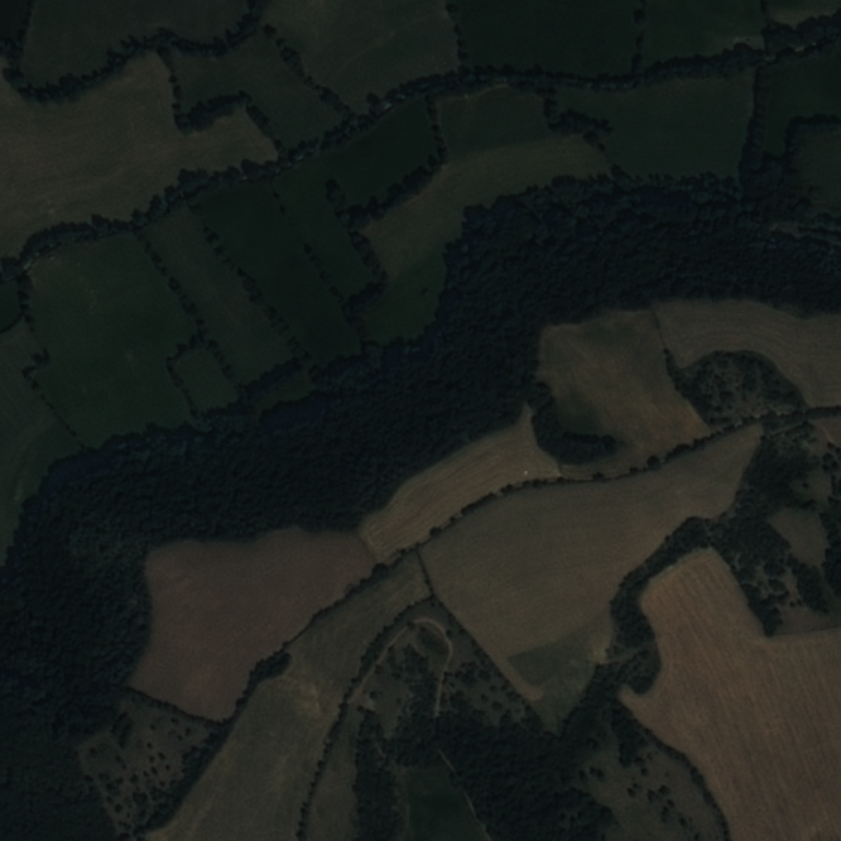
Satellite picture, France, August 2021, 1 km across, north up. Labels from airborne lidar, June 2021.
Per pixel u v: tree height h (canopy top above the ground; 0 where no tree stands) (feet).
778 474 21
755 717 0
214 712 0
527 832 45
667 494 0
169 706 27
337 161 0
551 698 0
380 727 24
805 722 0
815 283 45
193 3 0
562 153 0
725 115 0
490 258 91
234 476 79
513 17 0
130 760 0
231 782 0
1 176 0
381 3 0
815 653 0
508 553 0
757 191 85
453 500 0
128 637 23
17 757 48
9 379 0
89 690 39
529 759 42
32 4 32
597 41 0
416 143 0
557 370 0
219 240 43
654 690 0
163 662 0
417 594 0
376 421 69
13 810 41
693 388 20
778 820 0
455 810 0
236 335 0
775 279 33
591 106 0
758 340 0
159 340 0
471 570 0
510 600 0
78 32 0
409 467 20
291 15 0
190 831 0
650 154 0
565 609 0
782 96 0
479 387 70
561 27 0
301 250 0
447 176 0
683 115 0
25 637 63
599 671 28
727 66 68
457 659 0
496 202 0
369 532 0
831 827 0
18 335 0
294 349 52
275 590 0
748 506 24
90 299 0
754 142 48
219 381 0
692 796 0
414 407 49
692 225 38
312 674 0
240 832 0
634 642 30
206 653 0
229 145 0
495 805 48
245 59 0
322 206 0
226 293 0
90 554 33
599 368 0
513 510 0
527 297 66
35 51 0
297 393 0
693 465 0
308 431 90
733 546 30
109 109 0
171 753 0
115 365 0
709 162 0
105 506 58
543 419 37
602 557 0
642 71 49
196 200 49
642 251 78
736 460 0
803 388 0
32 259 37
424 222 0
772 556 27
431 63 0
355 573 0
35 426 0
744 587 33
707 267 36
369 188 0
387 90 0
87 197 0
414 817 0
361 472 50
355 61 0
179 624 0
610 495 0
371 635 0
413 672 28
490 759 38
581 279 63
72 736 53
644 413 0
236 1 0
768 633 36
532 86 48
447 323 60
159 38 26
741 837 0
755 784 0
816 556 0
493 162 0
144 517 49
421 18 0
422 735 32
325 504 64
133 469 60
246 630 0
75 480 89
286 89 0
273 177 29
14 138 0
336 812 0
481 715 27
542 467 0
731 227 64
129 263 0
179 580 0
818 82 0
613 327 0
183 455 84
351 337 0
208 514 62
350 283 0
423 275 0
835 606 0
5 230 0
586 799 47
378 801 22
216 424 50
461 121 0
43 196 0
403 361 70
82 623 73
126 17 0
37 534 78
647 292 48
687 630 0
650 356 0
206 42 0
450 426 38
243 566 0
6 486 0
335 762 0
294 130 0
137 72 0
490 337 72
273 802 0
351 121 52
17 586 78
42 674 35
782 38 50
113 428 0
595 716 42
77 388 0
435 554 0
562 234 67
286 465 71
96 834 40
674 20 0
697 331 0
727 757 0
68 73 0
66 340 0
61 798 36
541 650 0
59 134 0
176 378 41
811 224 34
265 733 0
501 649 0
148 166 0
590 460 30
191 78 0
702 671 0
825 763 0
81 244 29
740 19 0
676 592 0
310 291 0
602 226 49
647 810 0
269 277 0
